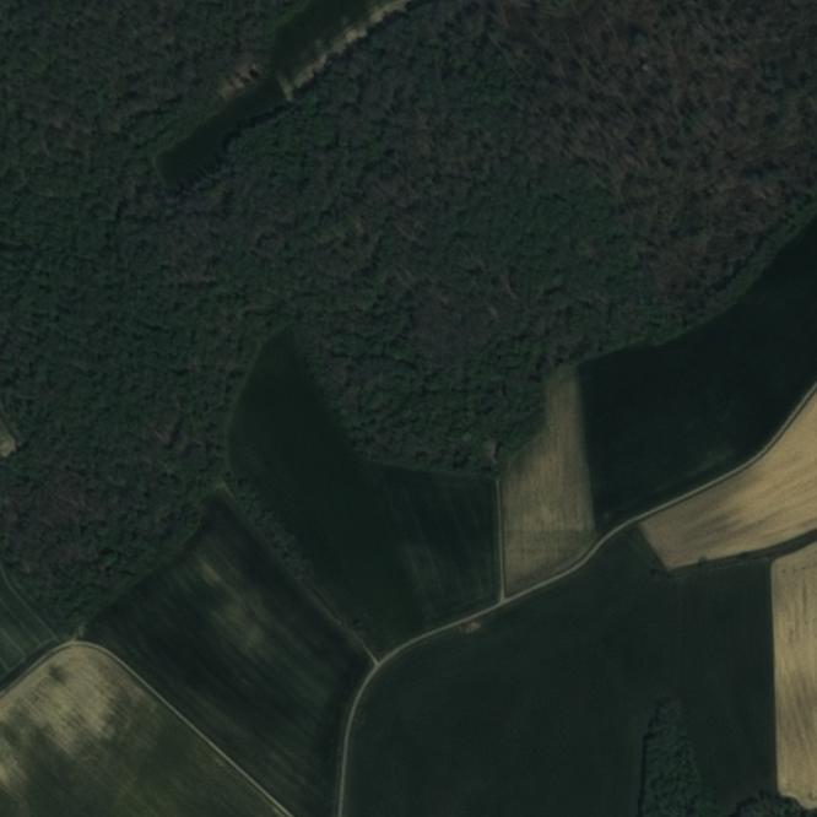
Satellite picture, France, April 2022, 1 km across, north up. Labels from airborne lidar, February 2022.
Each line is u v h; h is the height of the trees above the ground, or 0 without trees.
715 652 0
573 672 0
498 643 0
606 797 0
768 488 0
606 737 0
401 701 0
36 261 22
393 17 0
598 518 0
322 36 0
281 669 0
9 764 0
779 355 0
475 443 14
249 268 23
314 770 0
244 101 0
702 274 27
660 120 32
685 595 0
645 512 0
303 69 0
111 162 23
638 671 0
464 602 0
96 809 0
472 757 0
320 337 27
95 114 23
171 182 0
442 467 15
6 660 0
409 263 29
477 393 10
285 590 0
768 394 0
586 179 24
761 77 29
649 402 0
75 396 21
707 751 0
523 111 27
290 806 0
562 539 0
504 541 0
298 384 0
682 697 0
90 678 0
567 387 0
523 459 0
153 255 22
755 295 0
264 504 9
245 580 0
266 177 23
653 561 0
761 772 0
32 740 0
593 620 0
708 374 0
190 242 27
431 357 25
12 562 20
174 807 0
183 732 0
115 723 0
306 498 0
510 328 27
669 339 12
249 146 22
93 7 26
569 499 0
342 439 0
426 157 29
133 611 0
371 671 0
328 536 0
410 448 26
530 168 24
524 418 24
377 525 0
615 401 0
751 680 0
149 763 0
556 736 0
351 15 0
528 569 0
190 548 0
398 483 0
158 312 23
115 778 0
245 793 0
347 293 26
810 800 0
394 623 0
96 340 20
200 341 18
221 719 0
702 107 0
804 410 0
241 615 0
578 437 0
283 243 29
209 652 0
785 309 0
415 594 0
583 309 25
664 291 28
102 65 23
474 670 0
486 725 0
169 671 0
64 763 0
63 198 19
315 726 0
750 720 0
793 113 29
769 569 0
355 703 0
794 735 0
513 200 25
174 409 21
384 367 28
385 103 15
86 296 22
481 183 20
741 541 0
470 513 0
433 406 23
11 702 0
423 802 0
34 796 0
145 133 26
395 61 30
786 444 0
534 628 0
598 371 0
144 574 7
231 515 0
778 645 0
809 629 0
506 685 0
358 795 0
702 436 0
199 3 26
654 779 19
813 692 0
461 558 0
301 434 0
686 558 0
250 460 0
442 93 31
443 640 0
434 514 0
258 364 0
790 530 0
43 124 25
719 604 0
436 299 31
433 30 30
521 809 0
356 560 0
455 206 25
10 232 20
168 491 24
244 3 24
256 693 0
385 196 28
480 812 0
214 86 30
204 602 0
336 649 0
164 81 27
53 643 0
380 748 0
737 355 0
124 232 22
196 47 28
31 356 22
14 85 26
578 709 0
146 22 29
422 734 0
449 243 24
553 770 0
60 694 0
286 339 0
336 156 28
